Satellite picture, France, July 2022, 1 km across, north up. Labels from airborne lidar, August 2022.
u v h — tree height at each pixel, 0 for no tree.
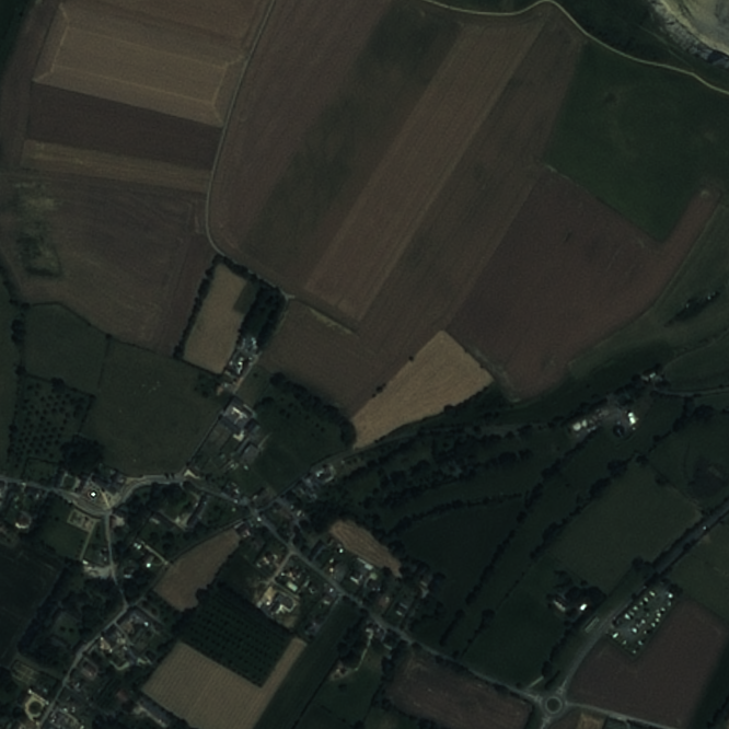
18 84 0
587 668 0
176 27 0
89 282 0
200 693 0
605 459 0
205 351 0
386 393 0
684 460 0
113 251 0
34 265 0
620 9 0
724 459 0
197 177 0
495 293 0
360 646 16
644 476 0
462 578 0
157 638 0
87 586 7
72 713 0
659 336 0
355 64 0
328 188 0
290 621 0
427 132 0
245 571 0
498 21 0
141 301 0
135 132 0
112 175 0
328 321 0
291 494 11
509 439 10
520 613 0
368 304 0
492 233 0
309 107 0
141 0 0
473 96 0
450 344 0
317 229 0
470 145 0
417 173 0
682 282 0
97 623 7
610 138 0
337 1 0
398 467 0
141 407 0
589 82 0
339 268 0
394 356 0
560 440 0
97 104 0
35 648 8
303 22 0
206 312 0
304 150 0
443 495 0
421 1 0
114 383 0
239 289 0
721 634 0
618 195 0
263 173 0
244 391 0
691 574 0
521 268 0
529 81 0
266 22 0
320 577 0
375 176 0
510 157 0
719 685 0
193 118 0
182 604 0
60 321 0
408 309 0
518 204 0
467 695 0
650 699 0
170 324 0
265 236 0
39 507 7
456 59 0
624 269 0
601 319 0
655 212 0
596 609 10
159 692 0
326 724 0
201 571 0
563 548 0
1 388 0
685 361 0
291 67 0
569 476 0
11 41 0
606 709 0
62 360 0
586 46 0
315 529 12
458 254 0
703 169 0
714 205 0
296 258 0
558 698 0
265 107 0
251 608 19
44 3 0
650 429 0
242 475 0
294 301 0
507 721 0
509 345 0
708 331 0
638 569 20
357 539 0
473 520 0
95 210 0
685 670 0
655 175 0
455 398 0
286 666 0
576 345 0
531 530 0
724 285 0
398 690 0
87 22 0
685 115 0
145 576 12
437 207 0
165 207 0
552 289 0
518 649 0
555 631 0
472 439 11
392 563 0
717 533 0
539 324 0
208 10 0
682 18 0
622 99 0
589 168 0
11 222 0
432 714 0
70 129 0
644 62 0
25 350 0
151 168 0
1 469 0
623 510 0
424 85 0
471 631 0
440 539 0
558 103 0
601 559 0
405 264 0
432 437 11
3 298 0
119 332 0
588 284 0
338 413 15
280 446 0
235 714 0
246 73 0
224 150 0
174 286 0
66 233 0
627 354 0
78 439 7
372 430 0
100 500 0
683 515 0
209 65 0
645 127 0
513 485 0
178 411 0
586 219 0
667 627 0
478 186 0
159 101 0
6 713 8
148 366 0
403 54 0
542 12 0
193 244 0
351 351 0
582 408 13
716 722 10
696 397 8
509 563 0
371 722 0
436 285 0
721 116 0
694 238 0
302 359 0
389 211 0
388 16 0
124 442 0
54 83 0
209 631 5
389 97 0
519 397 0
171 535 13
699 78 0
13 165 0
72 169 0
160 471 0
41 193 0
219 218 0
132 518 14
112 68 0
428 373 0
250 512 9
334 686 0
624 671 0
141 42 0
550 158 0
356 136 0
